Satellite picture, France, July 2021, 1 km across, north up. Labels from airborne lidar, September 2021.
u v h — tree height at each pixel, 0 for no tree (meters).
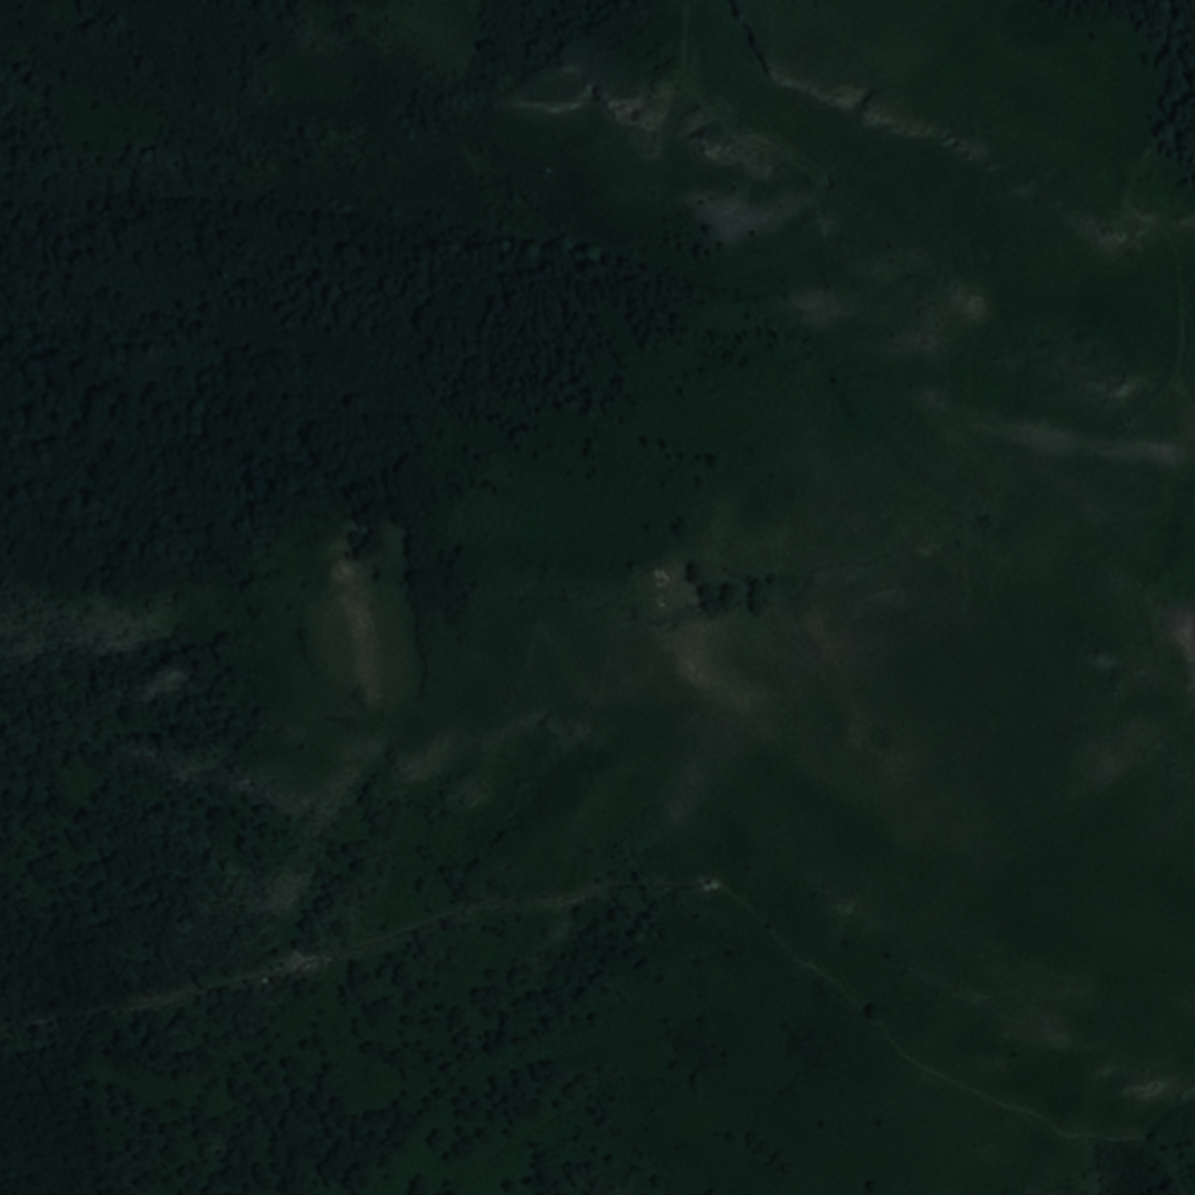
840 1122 0
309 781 0
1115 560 0
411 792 7
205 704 12
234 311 5
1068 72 0
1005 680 0
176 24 5
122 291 8
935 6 0
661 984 10
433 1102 19
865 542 0
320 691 0
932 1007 0
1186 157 19
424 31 0
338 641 0
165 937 16
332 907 9
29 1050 7
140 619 9
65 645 14
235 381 22
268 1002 16
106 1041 9
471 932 13
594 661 0
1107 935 0
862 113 0
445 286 12
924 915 0
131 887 15
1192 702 0
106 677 19
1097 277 0
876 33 0
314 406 12
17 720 12
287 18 15
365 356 9
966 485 0
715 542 0
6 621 12
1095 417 0
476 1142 15
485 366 19
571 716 0
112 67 9
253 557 6
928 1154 0
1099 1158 6
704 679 0
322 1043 16
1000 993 0
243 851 16
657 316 9
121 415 17
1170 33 9
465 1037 14
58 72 6
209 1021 8
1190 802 0
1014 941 0
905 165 0
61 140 9
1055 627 0
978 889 0
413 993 13
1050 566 0
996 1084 0
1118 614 0
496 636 0
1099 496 0
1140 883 0
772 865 0
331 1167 19
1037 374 0
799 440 0
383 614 0
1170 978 0
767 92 0
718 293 6
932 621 0
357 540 11
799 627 0
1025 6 0
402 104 8
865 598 0
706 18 0
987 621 0
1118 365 0
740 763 0
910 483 0
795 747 0
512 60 14
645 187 0
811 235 0
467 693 0
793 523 0
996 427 0
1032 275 0
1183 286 0
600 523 0
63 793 16
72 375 28
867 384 0
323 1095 12
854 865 0
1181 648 0
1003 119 0
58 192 16
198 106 11
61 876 12
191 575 8
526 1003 15
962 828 0
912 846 0
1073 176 0
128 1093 8
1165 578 0
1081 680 0
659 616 0
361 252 15
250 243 14
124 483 12
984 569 0
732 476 0
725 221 0
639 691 0
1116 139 0
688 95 0
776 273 0
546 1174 16
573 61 0
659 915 7
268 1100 15
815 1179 0
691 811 0
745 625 0
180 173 12
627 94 0
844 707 0
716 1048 10
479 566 0
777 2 0
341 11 7
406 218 14
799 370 0
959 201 0
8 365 13
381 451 10
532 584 0
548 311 17
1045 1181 0
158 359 11
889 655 0
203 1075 16
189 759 9
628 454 0
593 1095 8
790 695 0
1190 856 0
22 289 16
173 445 11
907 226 0
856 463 0
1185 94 12
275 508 10
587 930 12
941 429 0
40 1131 16
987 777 0
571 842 0
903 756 0
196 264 12
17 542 17
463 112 8
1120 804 0
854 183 0
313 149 14
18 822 13
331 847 13
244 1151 18
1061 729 0
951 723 0
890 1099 0
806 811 0
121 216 7
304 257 13
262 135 7
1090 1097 0
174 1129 14
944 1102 0
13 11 6
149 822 16
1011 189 0
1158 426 0
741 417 0
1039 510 0
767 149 0
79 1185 16
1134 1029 0
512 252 11
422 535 15
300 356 10
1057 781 0
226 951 13
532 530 0
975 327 0
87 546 18
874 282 0
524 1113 17
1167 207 0
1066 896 0
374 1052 20
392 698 0
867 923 0
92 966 18
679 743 0
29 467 11
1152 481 0
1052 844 0
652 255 8
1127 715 0
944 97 0
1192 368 0
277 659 0
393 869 9
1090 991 0
